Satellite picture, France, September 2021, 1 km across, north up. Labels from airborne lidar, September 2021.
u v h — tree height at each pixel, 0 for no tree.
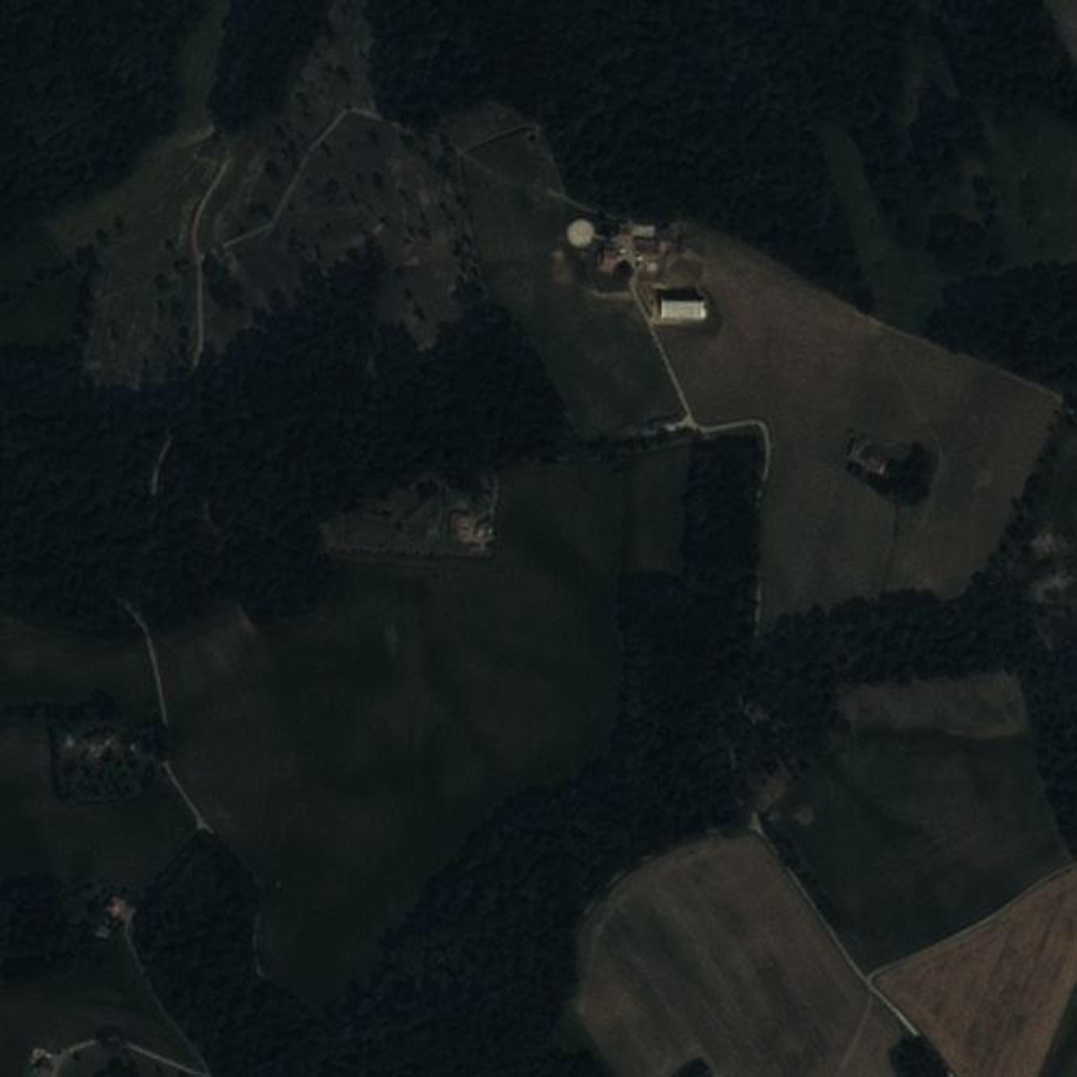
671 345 0
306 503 22
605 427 0
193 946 20
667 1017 0
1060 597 0
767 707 12
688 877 0
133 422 19
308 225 0
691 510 14
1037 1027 0
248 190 0
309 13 18
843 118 15
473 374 22
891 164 19
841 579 0
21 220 22
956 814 0
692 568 20
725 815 22
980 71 20
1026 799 0
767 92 19
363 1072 12
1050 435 10
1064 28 0
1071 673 17
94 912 11
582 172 10
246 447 24
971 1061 0
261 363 15
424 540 0
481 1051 20
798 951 0
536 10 25
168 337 0
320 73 0
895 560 0
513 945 26
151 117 24
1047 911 0
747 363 0
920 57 0
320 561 18
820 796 0
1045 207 0
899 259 0
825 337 0
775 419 0
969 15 25
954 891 0
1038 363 17
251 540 19
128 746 8
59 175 16
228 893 10
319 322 14
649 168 24
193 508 23
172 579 21
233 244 0
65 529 25
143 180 0
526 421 13
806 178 21
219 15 0
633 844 14
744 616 21
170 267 0
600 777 19
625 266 7
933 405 0
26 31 24
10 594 18
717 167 15
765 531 0
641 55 16
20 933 18
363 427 17
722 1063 0
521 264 0
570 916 17
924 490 13
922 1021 0
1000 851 0
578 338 0
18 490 24
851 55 20
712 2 23
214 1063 14
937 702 0
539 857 10
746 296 0
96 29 23
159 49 29
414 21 21
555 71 21
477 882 19
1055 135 0
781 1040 0
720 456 19
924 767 0
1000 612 20
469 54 23
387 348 17
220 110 21
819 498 0
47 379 23
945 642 8
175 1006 17
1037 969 0
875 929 0
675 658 26
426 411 20
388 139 0
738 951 0
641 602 27
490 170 0
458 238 0
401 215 0
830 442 0
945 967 0
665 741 15
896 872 0
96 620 18
